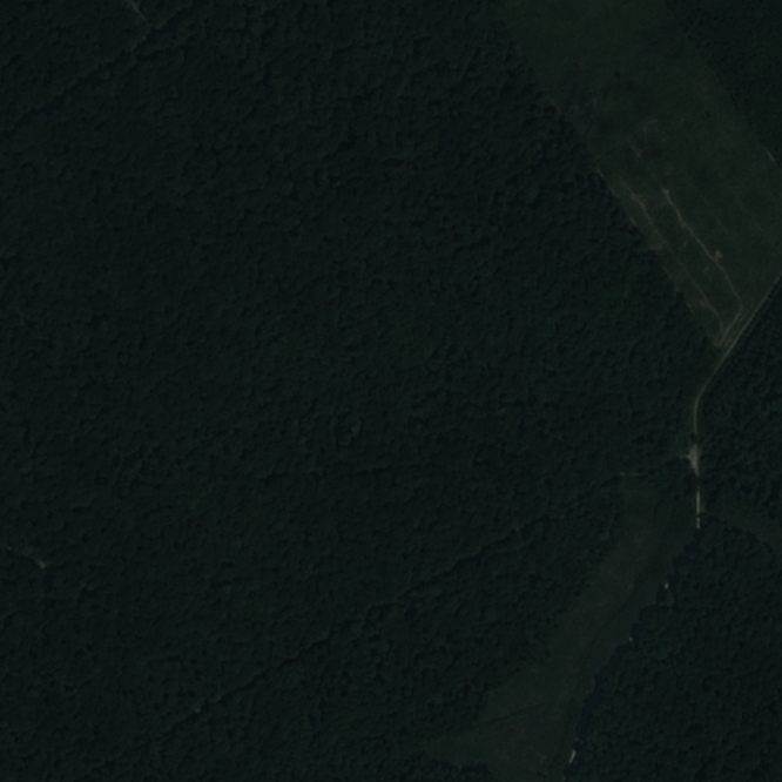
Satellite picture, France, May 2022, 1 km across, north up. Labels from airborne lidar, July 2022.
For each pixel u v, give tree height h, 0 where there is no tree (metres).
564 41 0
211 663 26
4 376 25
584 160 26
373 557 25
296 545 30
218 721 27
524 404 29
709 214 0
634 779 27
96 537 28
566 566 22
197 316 25
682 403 27
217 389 25
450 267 24
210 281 30
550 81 0
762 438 24
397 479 26
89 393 26
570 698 0
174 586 25
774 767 29
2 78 26
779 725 27
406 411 24
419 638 26
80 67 26
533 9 0
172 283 32
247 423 28
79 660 28
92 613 30
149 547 28
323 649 24
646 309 25
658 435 22
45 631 29
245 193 26
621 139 0
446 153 28
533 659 27
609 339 23
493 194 13
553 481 24
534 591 19
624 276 25
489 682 22
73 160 27
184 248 29
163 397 31
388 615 26
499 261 26
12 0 29
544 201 25
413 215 24
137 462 24
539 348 24
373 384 26
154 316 29
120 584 29
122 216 27
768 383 22
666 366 23
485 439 28
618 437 21
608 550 23
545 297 26
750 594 27
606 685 23
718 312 0
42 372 28
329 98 27
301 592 29
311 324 24
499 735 0
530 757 0
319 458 24
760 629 30
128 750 23
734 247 0
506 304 21
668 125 0
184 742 28
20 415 28
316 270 27
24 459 29
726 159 0
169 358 30
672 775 29
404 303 21
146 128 26
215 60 25
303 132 25
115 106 25
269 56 26
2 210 28
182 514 29
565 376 27
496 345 25
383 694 27
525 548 27
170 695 25
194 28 25
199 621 29
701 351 23
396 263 27
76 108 27
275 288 28
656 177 0
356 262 24
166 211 29
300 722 30
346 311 24
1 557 30
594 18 0
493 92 27
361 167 29
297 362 23
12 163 26
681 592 23
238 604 24
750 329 7
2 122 24
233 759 22
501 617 19
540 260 21
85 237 26
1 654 29
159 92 27
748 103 15
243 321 27
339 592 29
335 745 22
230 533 23
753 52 15
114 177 24
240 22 27
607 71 0
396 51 26
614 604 0
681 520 0
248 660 19
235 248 29
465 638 21
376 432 25
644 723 24
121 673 30
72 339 29
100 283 25
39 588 30
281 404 31
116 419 29
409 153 28
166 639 27
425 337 22
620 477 15
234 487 27
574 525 18
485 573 27
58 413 30
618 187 0
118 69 28
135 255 31
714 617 27
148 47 13
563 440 25
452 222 25
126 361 30
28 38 30
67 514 27
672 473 22
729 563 22
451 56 25
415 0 25
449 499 27
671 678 25
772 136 15
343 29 29
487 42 26
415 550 27
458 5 25
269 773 29
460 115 29
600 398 29
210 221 28
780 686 24
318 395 26
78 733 30
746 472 23
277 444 28
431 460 30
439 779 25
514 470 26
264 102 25
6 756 26
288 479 30
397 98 18
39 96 26
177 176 24
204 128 28
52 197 28
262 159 27
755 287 0
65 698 24
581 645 0
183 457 25
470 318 23
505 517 27
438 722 25
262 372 25
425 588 28
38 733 27
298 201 27
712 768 27
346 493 27
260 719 27
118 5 27
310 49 26
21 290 26
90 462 30
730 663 29
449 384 27
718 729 26
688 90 0
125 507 28
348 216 25
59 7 30
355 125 30
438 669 24
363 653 29
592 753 21
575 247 26
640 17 0
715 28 16
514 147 24
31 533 29
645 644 21
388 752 34
